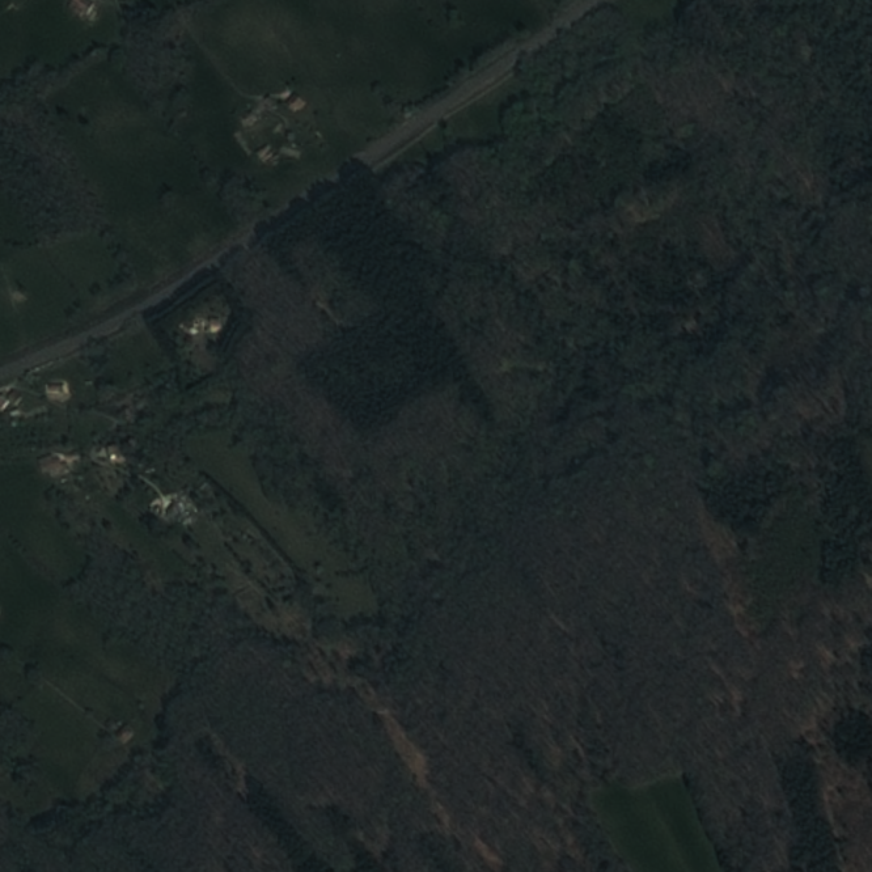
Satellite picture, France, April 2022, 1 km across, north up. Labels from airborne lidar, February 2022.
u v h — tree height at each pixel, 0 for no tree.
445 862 23
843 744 15
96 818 19
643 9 0
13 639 0
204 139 0
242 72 0
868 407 30
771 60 24
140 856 21
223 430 7
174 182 0
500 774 33
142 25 29
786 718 21
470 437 22
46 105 13
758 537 30
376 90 10
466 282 19
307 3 0
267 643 23
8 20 0
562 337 28
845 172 28
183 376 14
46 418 7
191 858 28
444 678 28
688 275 9
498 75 0
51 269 0
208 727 24
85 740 0
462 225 21
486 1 0
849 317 32
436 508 21
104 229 13
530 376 21
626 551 30
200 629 19
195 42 0
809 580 6
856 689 25
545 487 26
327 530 16
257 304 24
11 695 0
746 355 27
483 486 22
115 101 0
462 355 27
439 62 0
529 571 25
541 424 22
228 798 27
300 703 22
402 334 24
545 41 0
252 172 0
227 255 0
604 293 17
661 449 28
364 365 19
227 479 0
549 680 28
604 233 26
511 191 26
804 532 8
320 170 0
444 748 30
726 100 26
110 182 0
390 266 28
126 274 9
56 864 24
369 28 0
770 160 28
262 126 0
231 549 8
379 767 26
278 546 14
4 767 23
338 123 0
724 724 31
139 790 23
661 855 0
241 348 21
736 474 21
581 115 26
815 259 26
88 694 0
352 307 24
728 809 27
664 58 27
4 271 0
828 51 24
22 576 0
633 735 29
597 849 28
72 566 0
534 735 29
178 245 0
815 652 21
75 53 0
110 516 0
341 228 20
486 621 26
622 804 0
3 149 21
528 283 23
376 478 26
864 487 22
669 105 24
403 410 29
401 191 31
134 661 0
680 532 28
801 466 26
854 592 19
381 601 10
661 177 21
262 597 0
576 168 10
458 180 29
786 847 32
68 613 0
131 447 17
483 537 28
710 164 26
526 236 24
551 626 29
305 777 25
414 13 0
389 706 32
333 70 0
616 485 30
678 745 27
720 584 30
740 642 30
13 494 0
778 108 27
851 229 32
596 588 28
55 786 0
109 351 15
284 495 22
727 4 23
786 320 9
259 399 21
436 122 0
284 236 25
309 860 19
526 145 22
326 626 22
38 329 0
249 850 34
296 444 16
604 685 29
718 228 15
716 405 27
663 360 24
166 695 0
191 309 17
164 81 19
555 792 27
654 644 29
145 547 0
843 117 19
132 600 18
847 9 17
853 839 8
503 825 31
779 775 32
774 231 25
